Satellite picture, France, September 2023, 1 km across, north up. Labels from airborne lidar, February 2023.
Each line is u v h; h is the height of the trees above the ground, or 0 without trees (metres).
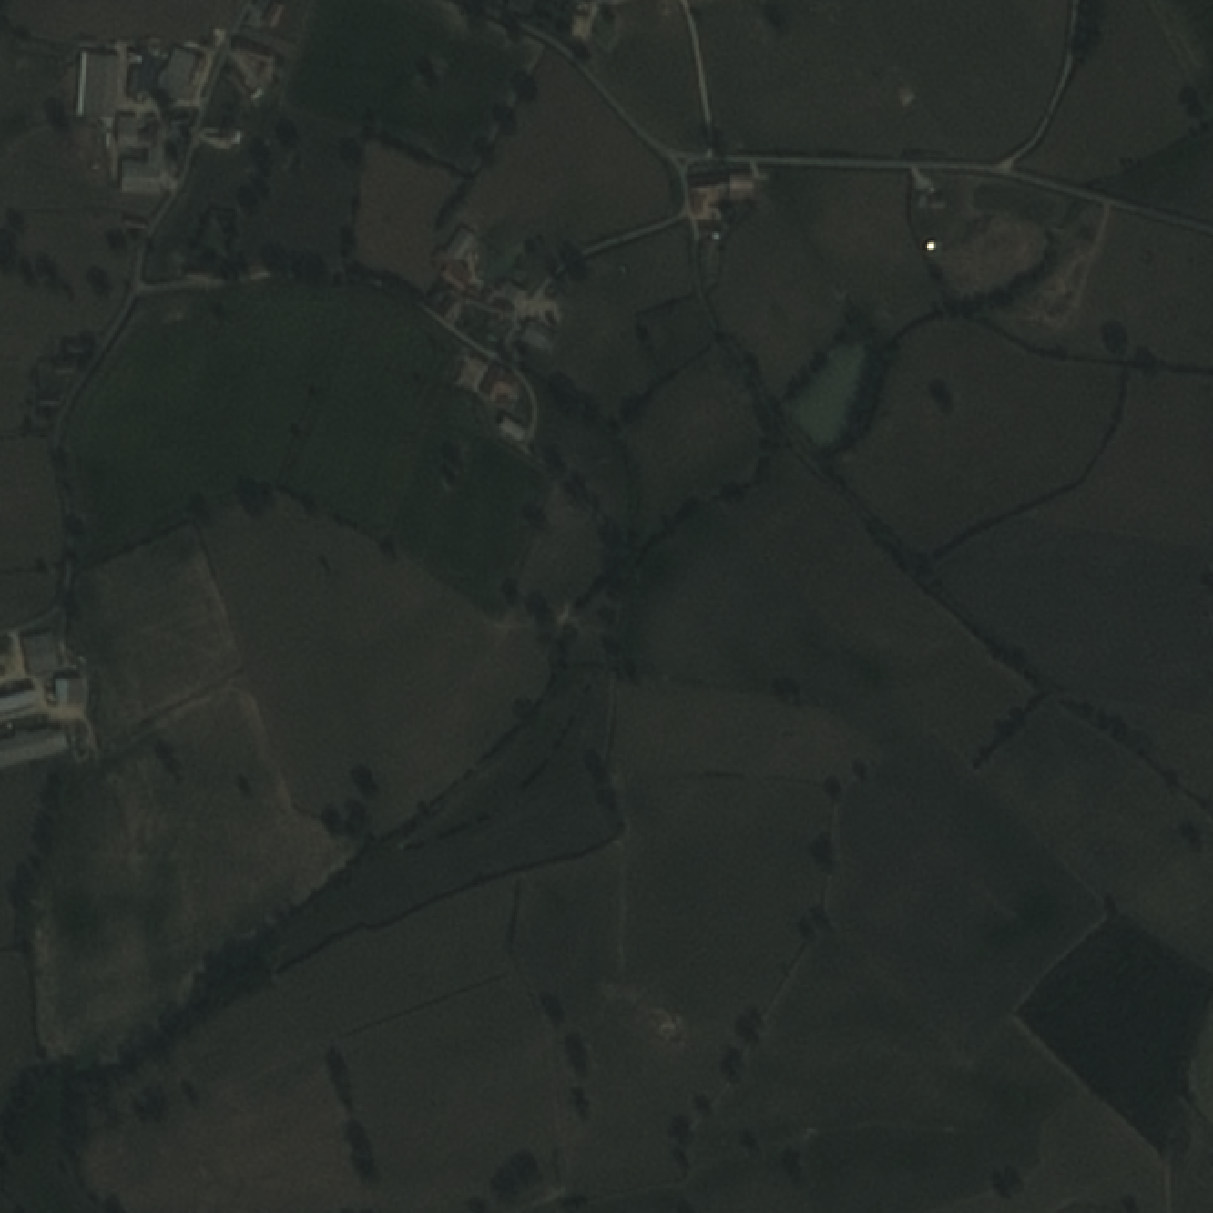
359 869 6
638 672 12
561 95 0
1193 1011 0
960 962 0
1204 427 0
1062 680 0
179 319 0
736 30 0
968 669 0
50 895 0
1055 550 0
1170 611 0
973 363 0
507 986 0
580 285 0
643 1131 0
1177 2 0
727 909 0
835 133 0
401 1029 0
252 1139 0
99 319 0
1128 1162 0
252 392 0
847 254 0
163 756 15
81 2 0
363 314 0
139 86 0
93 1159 0
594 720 0
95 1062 0
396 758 0
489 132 0
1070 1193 0
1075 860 0
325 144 0
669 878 0
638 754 0
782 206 0
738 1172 0
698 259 0
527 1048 0
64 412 0
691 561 0
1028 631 0
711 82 0
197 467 0
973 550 0
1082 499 0
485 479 0
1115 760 0
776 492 0
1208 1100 0
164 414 0
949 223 0
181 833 0
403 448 0
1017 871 0
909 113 0
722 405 0
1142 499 0
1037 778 0
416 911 0
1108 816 0
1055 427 0
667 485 0
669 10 0
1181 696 0
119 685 0
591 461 0
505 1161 0
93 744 0
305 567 0
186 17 0
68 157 0
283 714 0
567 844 0
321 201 0
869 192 0
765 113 0
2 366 0
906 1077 0
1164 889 0
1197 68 0
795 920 0
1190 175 0
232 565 0
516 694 0
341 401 0
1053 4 0
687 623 0
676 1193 0
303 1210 0
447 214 7
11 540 0
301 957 0
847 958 0
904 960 0
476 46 0
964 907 0
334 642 0
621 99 0
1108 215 0
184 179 0
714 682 0
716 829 0
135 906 0
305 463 0
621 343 0
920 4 0
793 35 0
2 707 0
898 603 0
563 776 0
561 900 0
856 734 0
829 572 0
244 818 0
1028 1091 0
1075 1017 0
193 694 0
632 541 6
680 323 0
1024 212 0
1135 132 0
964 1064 0
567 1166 0
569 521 0
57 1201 0
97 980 0
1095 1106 0
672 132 0
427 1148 0
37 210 0
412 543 0
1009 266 0
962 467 0
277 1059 0
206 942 0
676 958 0
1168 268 0
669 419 0
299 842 0
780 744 0
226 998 7
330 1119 0
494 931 0
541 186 0
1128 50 0
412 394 0
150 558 0
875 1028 0
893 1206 0
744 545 0
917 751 0
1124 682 0
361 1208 0
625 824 10
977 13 0
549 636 13
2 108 0
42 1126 0
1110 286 0
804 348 0
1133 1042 0
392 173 0
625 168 0
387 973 0
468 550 0
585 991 0
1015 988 0
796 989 0
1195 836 14
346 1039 0
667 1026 0
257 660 0
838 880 0
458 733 0
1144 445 0
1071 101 0
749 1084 0
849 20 0
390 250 0
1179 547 0
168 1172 0
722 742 0
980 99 0
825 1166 0
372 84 0
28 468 0
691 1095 0
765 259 0
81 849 0
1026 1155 0
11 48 0
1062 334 0
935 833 0
